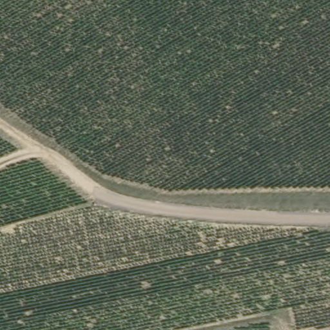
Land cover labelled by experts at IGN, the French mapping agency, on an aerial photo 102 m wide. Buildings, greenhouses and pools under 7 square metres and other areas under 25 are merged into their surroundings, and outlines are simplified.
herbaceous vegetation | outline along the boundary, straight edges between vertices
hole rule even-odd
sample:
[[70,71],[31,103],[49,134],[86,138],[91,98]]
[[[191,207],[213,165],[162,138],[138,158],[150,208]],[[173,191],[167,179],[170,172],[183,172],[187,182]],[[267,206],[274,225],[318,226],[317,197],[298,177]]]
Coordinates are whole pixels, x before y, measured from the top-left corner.
[[168,191],[151,187],[147,183],[131,182],[101,173],[95,166],[64,150],[55,138],[41,133],[0,102],[0,117],[43,146],[58,152],[94,182],[120,195],[197,208],[268,210],[278,213],[318,210],[330,213],[330,187],[202,188]]
[[175,229],[184,226],[187,231],[191,226],[330,231],[330,224],[325,226],[184,218],[116,206],[113,208],[115,219],[126,217],[131,220],[170,222],[175,224]]

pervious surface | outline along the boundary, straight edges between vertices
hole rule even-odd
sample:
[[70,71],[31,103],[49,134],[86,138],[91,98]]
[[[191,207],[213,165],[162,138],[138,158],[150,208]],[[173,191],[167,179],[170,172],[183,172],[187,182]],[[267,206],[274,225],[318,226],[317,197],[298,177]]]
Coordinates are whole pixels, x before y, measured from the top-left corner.
[[0,170],[15,162],[36,157],[43,161],[46,168],[57,175],[61,182],[75,189],[82,199],[98,199],[116,206],[184,218],[325,226],[330,224],[330,213],[318,210],[278,213],[268,210],[197,208],[120,195],[94,182],[58,152],[43,146],[0,117]]

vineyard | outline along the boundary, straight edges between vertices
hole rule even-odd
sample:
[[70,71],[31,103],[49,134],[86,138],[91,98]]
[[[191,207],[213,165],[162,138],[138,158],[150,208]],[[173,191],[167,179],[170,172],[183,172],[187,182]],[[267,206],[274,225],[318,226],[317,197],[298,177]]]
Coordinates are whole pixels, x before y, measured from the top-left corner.
[[330,0],[0,0],[0,102],[41,133],[55,138],[64,150],[95,166],[101,173],[131,182],[147,183],[151,187],[168,191],[202,188],[330,187]]
[[113,208],[116,206],[98,199],[82,199],[75,189],[61,182],[57,175],[46,168],[43,161],[36,157],[15,162],[0,170],[0,330],[330,330],[330,231],[191,226],[187,231],[184,226],[175,229],[175,224],[170,222],[131,220],[126,217],[115,219]]

